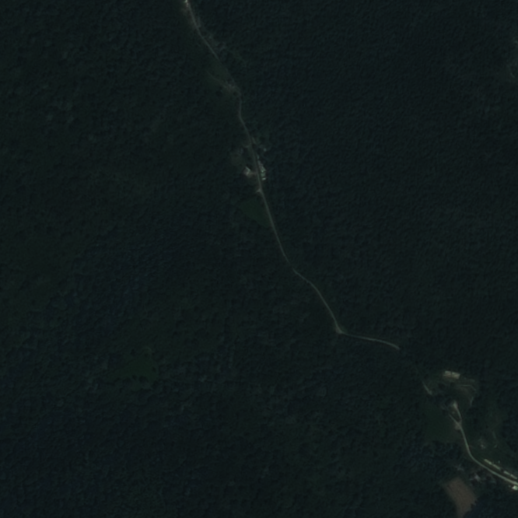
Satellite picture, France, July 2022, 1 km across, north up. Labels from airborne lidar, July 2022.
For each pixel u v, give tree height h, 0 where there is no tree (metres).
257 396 19
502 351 11
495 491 7
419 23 13
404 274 21
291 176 17
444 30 14
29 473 24
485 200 11
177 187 27
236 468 26
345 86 14
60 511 26
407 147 16
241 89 6
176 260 17
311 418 21
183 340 12
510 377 6
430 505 15
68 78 10
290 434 13
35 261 13
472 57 10
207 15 11
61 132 11
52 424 27
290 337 26
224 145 16
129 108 12
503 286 12
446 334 13
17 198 11
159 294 18
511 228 10
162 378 8
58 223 15
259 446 12
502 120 11
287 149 20
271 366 14
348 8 19
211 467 29
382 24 10
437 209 11
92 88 11
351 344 21
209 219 22
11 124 18
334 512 13
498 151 14
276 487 10
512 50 8
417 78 12
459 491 0
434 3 8
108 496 20
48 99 10
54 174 13
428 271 15
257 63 12
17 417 21
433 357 18
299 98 10
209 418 25
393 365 11
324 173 24
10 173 23
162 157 8
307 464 12
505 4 20
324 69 16
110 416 17
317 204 16
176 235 23
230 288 24
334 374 21
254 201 0
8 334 25
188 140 10
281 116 13
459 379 0
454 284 15
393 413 12
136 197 14
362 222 16
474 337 17
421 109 11
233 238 25
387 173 21
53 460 28
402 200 19
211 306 12
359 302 12
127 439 29
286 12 7
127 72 25
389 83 21
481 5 10
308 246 20
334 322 10
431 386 0
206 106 21
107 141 21
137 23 25
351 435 17
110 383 10
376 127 14
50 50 19
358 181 13
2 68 9
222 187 14
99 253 15
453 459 17
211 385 21
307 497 21
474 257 15
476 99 12
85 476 10
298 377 30
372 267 23
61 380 15
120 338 10
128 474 6
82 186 23
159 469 33
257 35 8
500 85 5
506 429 13
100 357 10
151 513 10
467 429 0
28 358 29
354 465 19
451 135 9
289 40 17
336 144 15
